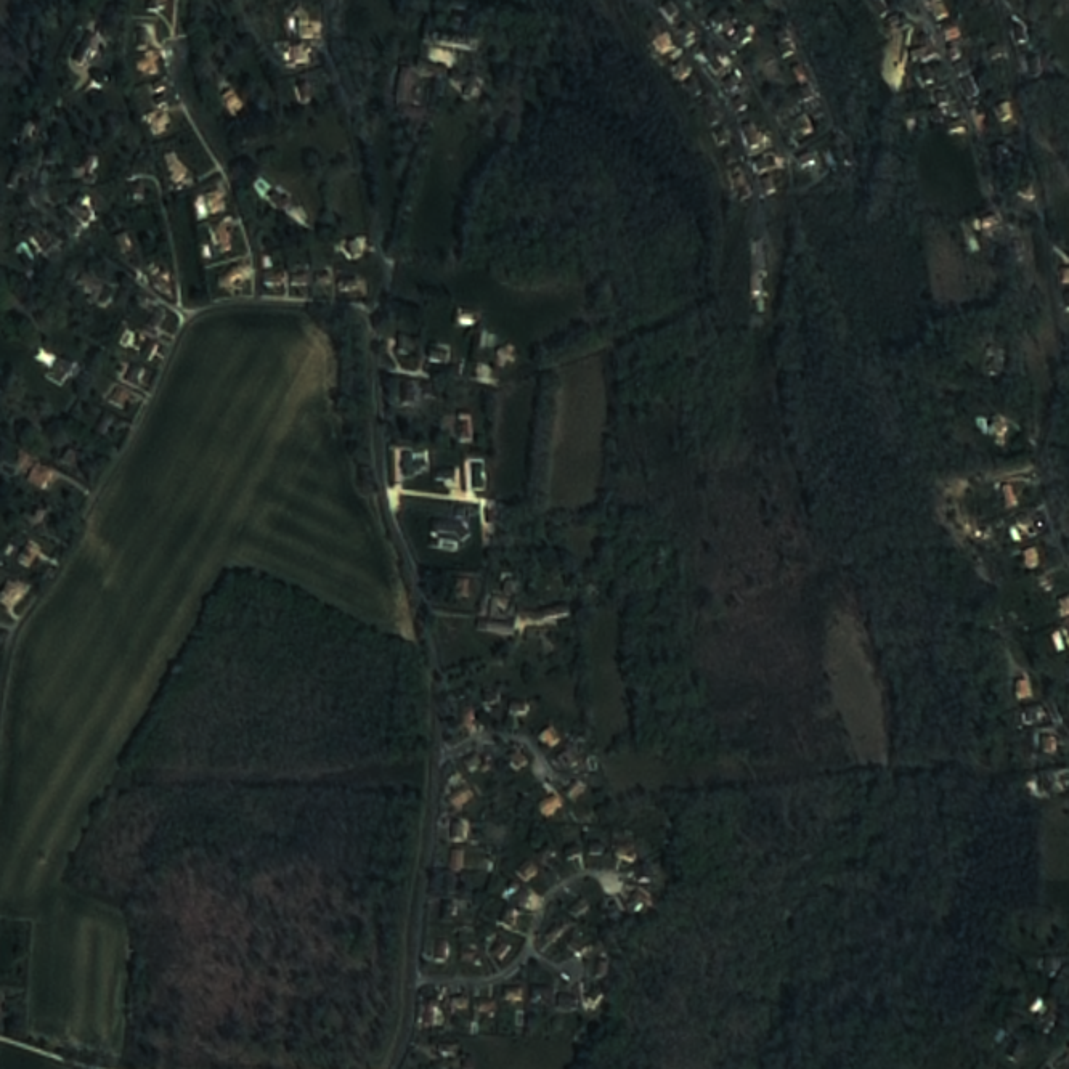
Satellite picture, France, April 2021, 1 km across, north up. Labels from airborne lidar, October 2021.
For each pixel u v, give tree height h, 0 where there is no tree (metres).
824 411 18
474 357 6
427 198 0
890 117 16
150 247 13
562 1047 0
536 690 0
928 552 26
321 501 0
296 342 0
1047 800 14
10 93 8
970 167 0
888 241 8
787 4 10
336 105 18
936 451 22
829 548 20
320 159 16
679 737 17
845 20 12
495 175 25
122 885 8
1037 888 22
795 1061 30
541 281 24
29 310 15
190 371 0
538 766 0
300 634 16
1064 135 23
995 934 22
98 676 0
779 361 24
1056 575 0
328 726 17
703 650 12
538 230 23
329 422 0
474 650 0
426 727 16
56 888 0
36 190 14
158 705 13
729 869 23
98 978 0
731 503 9
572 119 26
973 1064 14
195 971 0
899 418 21
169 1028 8
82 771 0
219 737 18
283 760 20
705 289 21
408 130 13
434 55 0
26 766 0
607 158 26
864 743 0
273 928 14
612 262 21
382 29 0
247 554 0
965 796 18
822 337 20
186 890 9
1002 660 25
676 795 14
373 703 17
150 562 0
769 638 6
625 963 21
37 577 6
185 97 0
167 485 0
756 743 10
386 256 11
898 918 19
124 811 8
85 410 13
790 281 18
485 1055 0
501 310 0
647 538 25
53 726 0
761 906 18
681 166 25
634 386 25
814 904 26
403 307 12
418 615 6
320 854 15
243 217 18
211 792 15
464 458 10
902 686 20
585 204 18
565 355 22
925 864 21
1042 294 14
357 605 0
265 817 22
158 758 18
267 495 0
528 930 0
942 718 29
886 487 20
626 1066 28
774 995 29
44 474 0
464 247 23
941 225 13
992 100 12
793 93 7
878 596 22
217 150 0
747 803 21
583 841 6
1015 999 10
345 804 15
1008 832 25
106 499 0
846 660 0
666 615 19
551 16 24
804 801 14
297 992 14
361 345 24
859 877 28
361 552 0
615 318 22
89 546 0
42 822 0
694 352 22
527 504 12
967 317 14
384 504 0
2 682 0
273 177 0
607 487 11
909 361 20
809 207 10
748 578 7
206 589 0
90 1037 0
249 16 15
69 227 16
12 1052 0
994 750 23
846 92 15
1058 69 6
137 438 0
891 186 16
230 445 0
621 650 18
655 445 11
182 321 0
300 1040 22
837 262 11
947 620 25
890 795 25
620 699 0
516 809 8
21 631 0
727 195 7
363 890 12
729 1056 26
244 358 0
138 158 7
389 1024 21
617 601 24
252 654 16
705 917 29
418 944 0
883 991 29
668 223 24
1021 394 19
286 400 0
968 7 11
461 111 12
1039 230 13
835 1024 21
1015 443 10
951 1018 23
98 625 0
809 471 18
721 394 22
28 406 12
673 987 26
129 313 6
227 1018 7
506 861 6
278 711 18
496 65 11
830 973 19
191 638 9
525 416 0
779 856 18
